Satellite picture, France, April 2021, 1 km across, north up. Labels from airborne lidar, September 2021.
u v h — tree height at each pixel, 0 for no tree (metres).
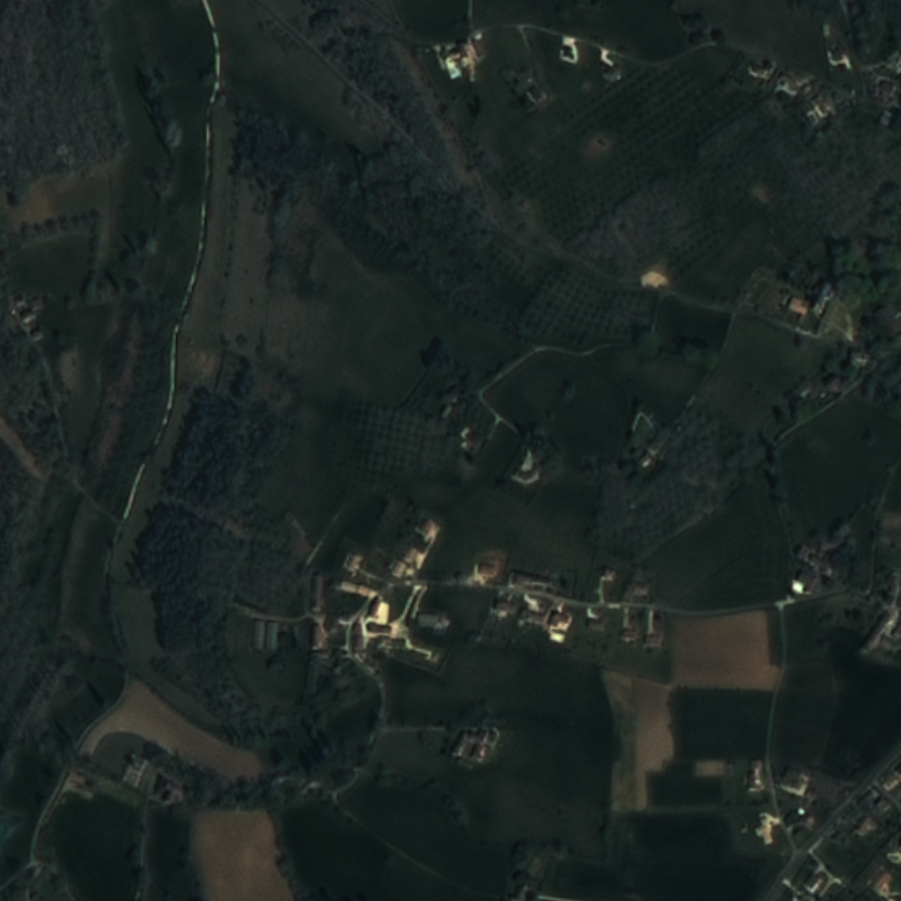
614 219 14
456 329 0
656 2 0
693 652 0
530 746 0
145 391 14
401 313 0
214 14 0
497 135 0
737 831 0
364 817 0
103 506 11
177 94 0
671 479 13
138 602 0
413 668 0
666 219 11
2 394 19
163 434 6
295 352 0
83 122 28
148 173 0
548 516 0
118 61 0
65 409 6
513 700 0
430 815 0
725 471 8
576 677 0
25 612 15
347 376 0
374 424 9
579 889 0
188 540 22
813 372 0
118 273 0
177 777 6
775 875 0
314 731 10
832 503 0
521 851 14
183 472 22
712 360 20
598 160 0
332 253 0
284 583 14
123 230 0
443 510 0
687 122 7
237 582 15
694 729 0
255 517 9
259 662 0
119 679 0
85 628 0
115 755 0
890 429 0
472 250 14
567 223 9
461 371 18
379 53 20
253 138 21
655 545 10
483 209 13
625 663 0
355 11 14
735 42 0
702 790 0
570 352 0
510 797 0
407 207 7
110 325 0
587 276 0
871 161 11
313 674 15
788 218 7
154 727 0
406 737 0
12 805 0
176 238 0
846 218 10
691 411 11
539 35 0
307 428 0
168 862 0
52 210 0
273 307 0
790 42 0
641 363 0
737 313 0
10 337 8
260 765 0
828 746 0
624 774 0
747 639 0
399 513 0
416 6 0
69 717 0
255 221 0
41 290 0
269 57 0
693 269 8
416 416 9
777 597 0
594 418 0
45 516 12
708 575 0
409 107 18
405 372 0
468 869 0
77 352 0
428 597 0
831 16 18
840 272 20
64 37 26
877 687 0
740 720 0
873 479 0
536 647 0
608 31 0
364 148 0
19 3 20
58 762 12
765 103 10
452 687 0
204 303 0
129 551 0
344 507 0
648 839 0
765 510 0
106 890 0
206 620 23
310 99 0
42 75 24
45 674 0
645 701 0
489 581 0
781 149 11
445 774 0
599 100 7
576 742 0
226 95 6
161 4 0
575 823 0
